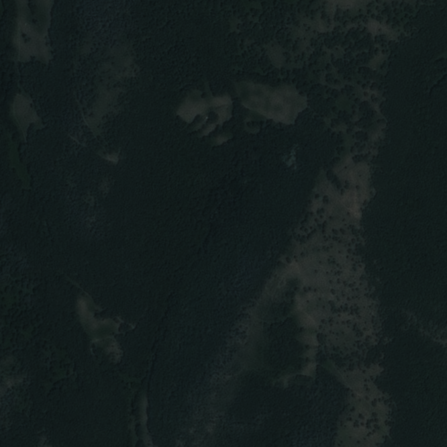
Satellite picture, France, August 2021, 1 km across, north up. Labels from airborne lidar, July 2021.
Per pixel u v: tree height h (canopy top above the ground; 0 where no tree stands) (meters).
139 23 13
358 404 0
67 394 20
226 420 9
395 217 17
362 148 8
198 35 19
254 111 0
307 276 0
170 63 15
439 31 18
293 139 19
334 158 7
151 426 16
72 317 19
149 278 20
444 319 11
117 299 13
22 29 0
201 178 22
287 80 13
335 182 10
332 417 10
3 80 18
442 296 17
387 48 12
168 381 10
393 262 14
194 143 23
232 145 20
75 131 13
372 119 7
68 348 18
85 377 22
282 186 15
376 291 6
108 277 14
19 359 11
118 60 0
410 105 19
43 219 19
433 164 16
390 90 12
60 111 13
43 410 13
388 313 11
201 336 11
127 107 10
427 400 17
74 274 10
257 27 15
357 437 0
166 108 21
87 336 22
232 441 11
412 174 16
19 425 10
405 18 9
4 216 13
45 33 0
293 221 8
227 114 0
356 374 0
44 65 7
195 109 0
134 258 18
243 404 12
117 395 23
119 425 20
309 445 18
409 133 16
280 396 15
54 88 17
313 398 13
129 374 19
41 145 17
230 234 21
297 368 9
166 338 17
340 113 12
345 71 15
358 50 8
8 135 13
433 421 13
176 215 25
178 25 18
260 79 19
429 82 18
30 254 19
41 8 0
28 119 0
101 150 9
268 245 8
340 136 9
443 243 20
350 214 7
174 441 8
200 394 7
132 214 16
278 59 0
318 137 18
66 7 16
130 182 17
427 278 17
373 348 6
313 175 13
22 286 10
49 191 16
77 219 11
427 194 18
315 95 14
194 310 12
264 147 22
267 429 16
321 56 12
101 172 11
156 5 18
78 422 16
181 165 24
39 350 14
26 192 14
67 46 10
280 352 11
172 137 23
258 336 0
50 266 23
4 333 14
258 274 10
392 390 12
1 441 11
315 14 10
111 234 12
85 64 11
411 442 15
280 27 11
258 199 18
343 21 11
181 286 22
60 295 21
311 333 0
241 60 15
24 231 18
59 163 8
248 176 23
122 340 13
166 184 23
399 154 14
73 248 11
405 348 14
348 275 0
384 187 12
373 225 11
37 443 7
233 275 7
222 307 8
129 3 12
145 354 23
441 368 11
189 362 12
